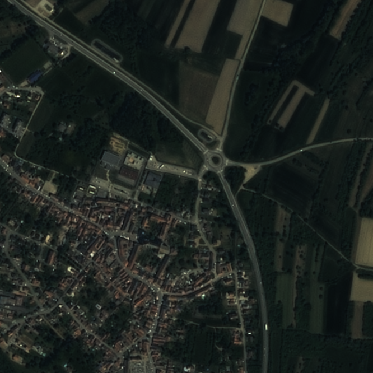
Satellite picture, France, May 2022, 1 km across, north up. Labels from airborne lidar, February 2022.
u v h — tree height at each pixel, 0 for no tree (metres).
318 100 0
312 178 0
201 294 0
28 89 0
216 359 9
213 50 0
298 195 0
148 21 0
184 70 0
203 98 0
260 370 6
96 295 9
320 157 0
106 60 0
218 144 0
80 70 0
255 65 0
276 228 0
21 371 0
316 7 0
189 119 0
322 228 0
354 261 0
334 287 0
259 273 0
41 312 0
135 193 0
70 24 0
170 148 0
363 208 13
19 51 0
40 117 0
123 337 0
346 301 0
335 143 0
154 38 35
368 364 0
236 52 0
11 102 0
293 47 17
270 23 0
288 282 0
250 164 0
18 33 0
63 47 0
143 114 22
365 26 12
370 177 0
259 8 0
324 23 21
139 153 0
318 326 0
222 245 0
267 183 8
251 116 0
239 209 0
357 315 0
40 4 0
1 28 0
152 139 31
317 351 6
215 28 0
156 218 0
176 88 0
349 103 0
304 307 6
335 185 0
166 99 0
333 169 0
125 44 14
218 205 10
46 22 0
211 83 0
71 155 0
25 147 0
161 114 9
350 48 0
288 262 0
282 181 0
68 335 7
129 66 0
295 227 8
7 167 0
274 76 7
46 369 20
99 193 0
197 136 0
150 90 0
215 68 0
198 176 0
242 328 0
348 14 0
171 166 0
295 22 0
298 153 0
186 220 0
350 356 0
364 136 0
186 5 0
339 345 6
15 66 0
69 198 0
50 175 0
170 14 0
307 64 0
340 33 0
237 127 0
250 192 7
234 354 0
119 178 0
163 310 0
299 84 0
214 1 0
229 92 0
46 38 0
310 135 0
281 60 14
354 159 6
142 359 0
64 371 0
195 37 0
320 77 0
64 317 0
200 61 0
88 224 0
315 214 0
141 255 0
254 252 0
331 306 0
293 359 0
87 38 0
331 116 0
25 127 0
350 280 0
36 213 0
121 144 0
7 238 0
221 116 0
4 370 7
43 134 14
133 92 0
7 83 0
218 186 11
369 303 7
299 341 7
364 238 0
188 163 0
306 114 0
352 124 0
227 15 0
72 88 0
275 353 0
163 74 0
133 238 0
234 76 0
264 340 0
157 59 0
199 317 0
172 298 0
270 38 0
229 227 14
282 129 9
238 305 0
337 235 0
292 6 0
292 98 0
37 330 21
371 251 0
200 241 0
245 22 0
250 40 0
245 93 0
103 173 0
